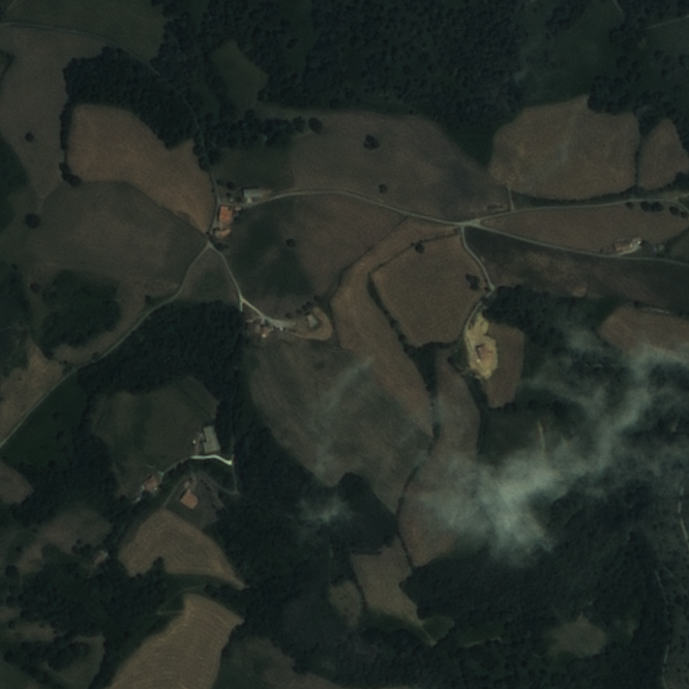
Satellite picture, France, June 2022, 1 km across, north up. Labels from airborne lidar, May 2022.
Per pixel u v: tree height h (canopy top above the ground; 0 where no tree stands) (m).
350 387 0
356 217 0
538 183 0
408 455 0
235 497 0
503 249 0
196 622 0
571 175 0
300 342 0
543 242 0
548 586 9
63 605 12
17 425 0
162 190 0
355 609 0
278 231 0
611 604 20
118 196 0
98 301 0
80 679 0
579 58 0
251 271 0
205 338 13
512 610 16
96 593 14
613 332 0
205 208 0
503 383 0
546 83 0
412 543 0
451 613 19
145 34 0
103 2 0
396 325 12
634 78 11
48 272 0
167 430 0
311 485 7
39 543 0
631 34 21
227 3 13
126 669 0
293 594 8
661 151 0
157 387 17
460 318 0
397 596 0
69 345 15
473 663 18
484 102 16
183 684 0
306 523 7
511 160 0
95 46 0
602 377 10
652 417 14
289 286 0
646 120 17
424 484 0
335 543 9
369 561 0
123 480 0
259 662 0
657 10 15
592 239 0
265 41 9
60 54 0
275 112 0
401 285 0
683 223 0
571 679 15
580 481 17
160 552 0
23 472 8
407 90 14
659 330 0
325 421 0
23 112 0
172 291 0
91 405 12
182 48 13
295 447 0
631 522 13
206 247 0
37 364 0
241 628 11
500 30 22
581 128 0
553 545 6
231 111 11
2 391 0
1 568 0
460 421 0
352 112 0
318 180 0
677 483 12
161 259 0
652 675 12
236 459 7
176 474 11
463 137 0
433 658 16
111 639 7
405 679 14
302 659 6
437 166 0
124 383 17
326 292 0
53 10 0
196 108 8
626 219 0
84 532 0
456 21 12
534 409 17
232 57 0
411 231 0
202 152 14
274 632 7
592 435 0
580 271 0
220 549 0
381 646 8
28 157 0
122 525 12
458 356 0
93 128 0
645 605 15
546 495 0
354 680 11
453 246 0
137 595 15
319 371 0
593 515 14
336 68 17
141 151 0
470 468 0
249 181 0
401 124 0
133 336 11
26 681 0
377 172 0
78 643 8
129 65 10
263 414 0
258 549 12
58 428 0
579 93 0
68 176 14
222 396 19
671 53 0
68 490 7
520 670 17
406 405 0
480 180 0
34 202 0
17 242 0
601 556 13
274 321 0
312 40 0
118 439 0
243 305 0
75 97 15
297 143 0
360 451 0
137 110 6
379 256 0
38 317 0
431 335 0
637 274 0
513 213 0
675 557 11
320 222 0
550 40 11
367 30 17
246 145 21
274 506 17
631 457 16
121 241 0
